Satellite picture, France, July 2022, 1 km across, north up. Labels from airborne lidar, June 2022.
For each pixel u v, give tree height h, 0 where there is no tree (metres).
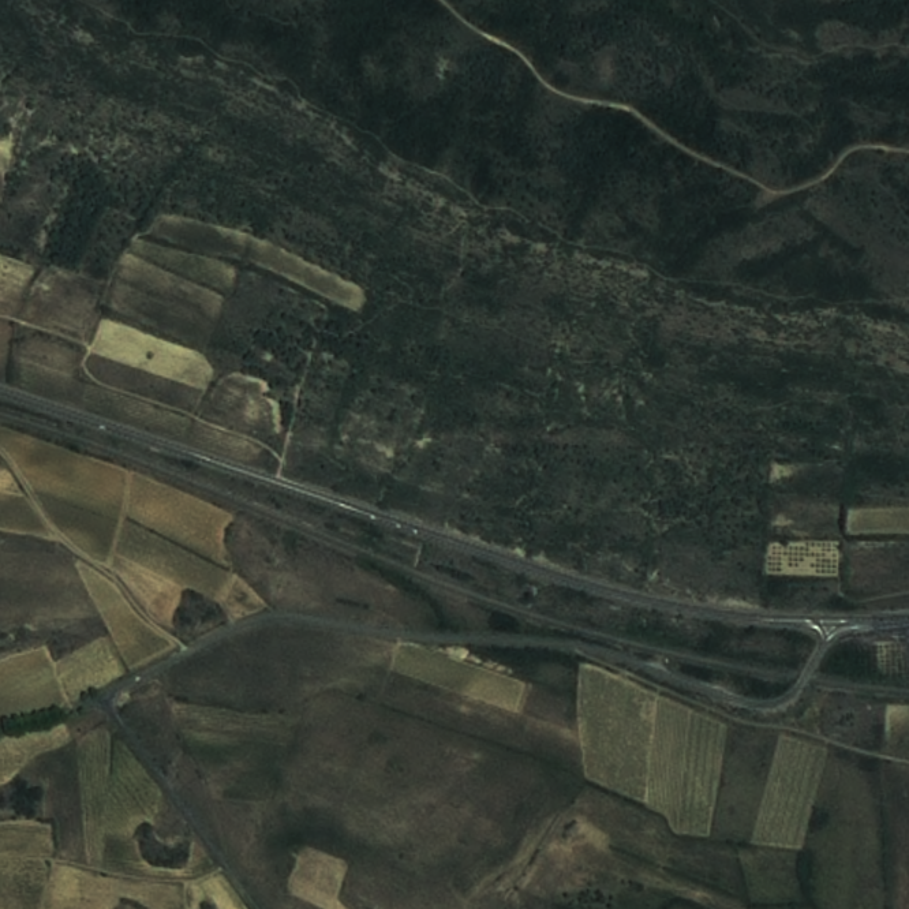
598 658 0
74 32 0
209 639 0
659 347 0
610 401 0
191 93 0
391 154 0
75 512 0
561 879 0
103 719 0
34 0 0
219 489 0
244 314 0
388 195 0
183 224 0
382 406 0
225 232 0
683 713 0
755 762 0
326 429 0
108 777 0
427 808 0
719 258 0
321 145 0
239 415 0
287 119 0
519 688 0
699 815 0
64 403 0
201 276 0
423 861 0
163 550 0
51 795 0
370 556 0
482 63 11
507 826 0
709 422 7
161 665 0
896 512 0
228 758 0
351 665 0
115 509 0
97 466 0
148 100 0
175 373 0
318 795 0
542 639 0
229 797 0
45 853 0
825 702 0
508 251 0
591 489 0
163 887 0
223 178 5
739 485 9
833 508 0
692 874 0
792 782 0
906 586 0
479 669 0
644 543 0
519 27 6
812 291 0
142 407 0
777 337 0
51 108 0
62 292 0
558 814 0
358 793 0
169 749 0
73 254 10
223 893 0
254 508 0
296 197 6
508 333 0
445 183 0
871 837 0
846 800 0
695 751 0
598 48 7
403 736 0
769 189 0
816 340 0
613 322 0
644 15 7
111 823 0
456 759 0
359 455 0
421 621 0
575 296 0
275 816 0
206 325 0
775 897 0
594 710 0
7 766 0
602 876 0
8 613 0
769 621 0
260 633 0
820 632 0
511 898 0
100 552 0
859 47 0
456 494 0
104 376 0
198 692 0
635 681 0
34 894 0
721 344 0
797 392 0
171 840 0
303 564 0
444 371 0
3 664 0
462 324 0
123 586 0
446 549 0
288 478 0
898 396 0
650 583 0
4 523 0
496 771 0
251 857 0
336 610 0
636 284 0
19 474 0
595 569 0
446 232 0
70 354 0
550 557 0
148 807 0
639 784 0
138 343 0
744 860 0
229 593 0
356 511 0
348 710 0
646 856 0
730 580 0
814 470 0
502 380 0
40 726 15
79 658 0
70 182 8
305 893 0
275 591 0
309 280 0
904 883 0
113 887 0
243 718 0
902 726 0
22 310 0
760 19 0
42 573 0
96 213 10
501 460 0
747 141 7
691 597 0
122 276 0
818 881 0
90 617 0
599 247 0
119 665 0
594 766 0
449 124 5
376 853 0
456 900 0
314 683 0
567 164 10
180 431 0
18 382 0
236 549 0
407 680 0
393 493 0
